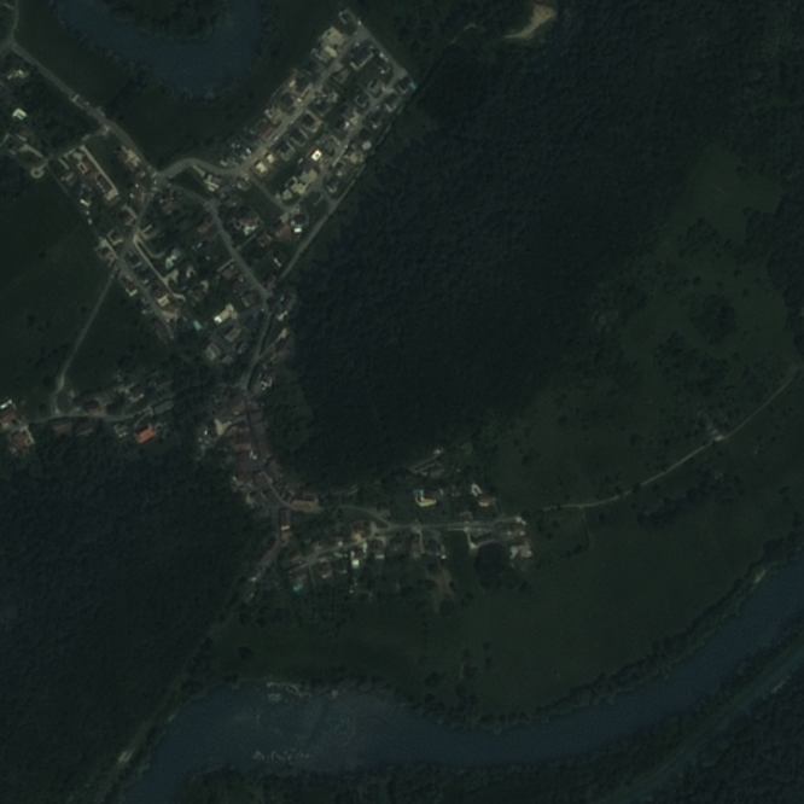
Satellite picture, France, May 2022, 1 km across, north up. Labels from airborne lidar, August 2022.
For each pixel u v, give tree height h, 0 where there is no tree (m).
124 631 13
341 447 18
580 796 18
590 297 20
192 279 9
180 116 0
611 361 16
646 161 15
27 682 12
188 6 13
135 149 0
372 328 14
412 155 17
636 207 18
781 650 9
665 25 13
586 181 14
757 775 21
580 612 0
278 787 18
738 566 0
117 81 0
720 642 0
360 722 0
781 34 25
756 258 7
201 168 0
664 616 0
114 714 12
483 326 13
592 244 17
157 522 12
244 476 0
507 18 9
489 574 18
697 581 0
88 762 17
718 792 23
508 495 0
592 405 0
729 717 0
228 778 19
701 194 0
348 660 0
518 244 11
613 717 0
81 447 15
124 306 10
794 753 24
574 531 0
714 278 0
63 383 0
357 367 11
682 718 25
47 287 0
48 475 13
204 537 17
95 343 0
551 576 0
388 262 16
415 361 13
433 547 0
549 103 16
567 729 0
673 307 0
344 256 23
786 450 0
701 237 6
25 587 20
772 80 22
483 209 12
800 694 22
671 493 0
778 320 0
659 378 0
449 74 12
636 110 16
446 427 20
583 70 16
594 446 0
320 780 18
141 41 0
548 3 0
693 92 16
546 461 0
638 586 0
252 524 8
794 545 19
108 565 14
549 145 11
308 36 0
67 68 0
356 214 0
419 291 18
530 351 18
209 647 15
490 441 16
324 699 0
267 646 0
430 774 23
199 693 22
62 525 21
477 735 0
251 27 0
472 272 9
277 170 0
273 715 0
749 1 21
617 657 0
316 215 0
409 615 0
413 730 0
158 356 0
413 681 0
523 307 15
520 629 0
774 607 0
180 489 17
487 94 18
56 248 0
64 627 14
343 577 0
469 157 20
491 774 16
